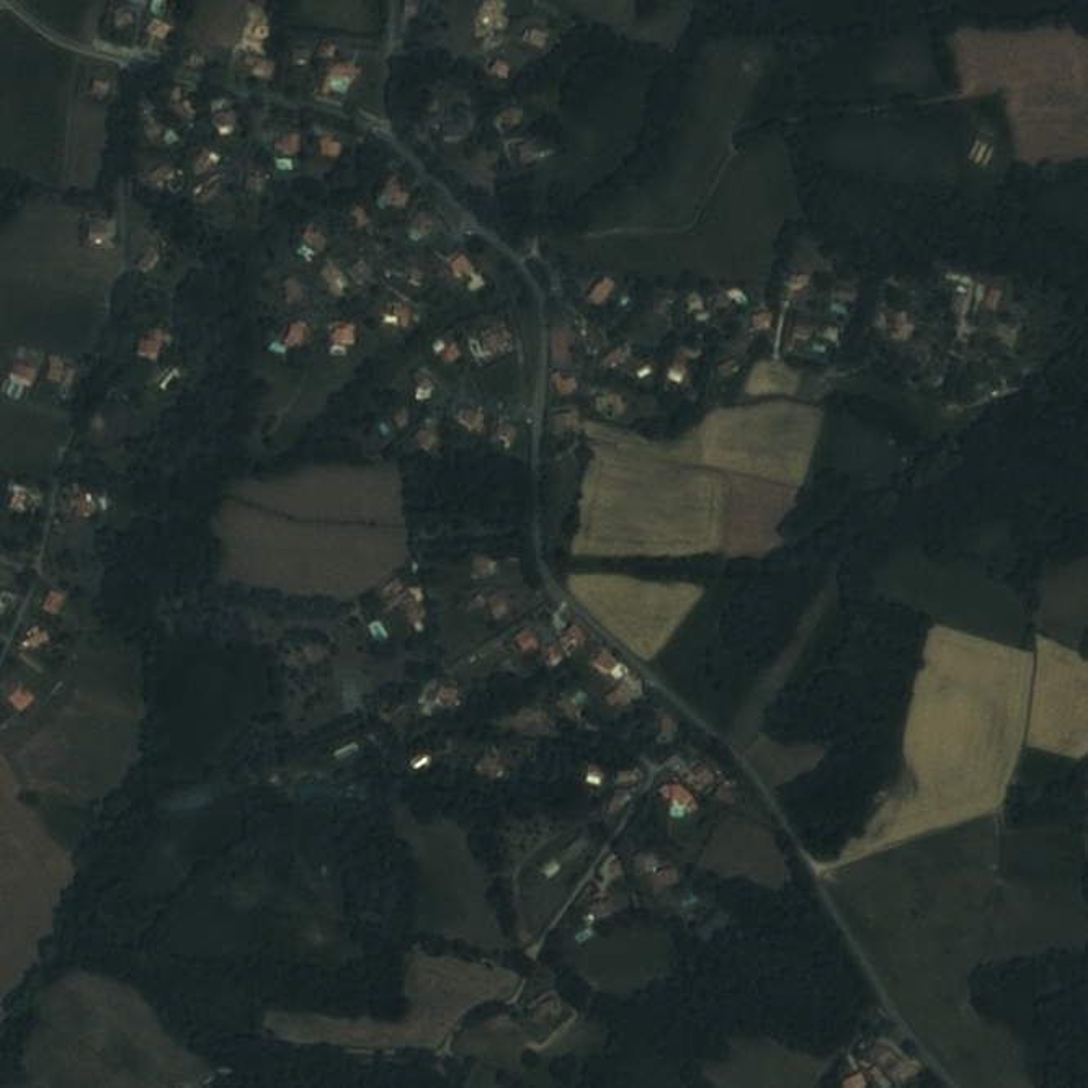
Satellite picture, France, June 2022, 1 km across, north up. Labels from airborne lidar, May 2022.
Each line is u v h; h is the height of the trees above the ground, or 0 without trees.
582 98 19
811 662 0
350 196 20
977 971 8
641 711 12
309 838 0
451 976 0
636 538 0
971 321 8
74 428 11
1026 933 0
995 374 0
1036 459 19
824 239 10
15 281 0
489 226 18
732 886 19
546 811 12
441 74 17
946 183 0
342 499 0
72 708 0
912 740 0
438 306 7
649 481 0
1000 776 0
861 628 19
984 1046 0
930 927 0
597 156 0
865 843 0
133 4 0
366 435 16
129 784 14
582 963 0
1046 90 0
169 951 12
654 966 0
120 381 14
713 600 0
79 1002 0
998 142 0
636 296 15
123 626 17
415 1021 0
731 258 0
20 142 0
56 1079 0
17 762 0
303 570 0
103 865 18
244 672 0
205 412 23
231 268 20
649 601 0
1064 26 11
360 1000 14
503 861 13
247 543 0
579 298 17
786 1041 17
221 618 12
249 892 0
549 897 0
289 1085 17
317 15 0
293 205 12
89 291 0
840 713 18
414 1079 15
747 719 0
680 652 0
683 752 6
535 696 12
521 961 15
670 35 0
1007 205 7
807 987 19
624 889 21
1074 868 0
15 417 0
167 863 0
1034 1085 0
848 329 9
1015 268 17
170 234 14
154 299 19
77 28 0
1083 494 26
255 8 0
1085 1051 21
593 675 0
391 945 14
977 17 8
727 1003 22
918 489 23
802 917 23
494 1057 0
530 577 9
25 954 0
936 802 0
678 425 16
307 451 19
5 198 17
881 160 0
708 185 0
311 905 0
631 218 0
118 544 23
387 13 7
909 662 15
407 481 10
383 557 0
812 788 17
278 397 0
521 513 17
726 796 0
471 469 22
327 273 0
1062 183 0
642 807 17
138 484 16
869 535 26
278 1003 11
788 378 0
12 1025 8
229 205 0
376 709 8
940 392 13
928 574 0
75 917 9
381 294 14
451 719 17
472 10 0
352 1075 15
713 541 0
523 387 0
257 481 13
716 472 0
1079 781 16
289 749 19
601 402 0
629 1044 17
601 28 16
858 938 0
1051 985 16
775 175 0
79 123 0
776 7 22
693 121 0
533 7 0
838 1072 12
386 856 21
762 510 0
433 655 18
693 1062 15
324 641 31
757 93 0
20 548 14
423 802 19
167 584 25
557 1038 0
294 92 16
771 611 13
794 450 0
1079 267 20
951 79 14
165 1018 7
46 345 0
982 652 0
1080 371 20
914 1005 0
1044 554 14
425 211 10
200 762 0
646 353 15
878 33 13
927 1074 12
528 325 0
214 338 21
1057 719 0
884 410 14
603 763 17
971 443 21
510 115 0
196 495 25
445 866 0
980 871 0
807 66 11
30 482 10
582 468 7
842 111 8
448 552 14
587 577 0
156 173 0
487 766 0
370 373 17
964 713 0
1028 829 0
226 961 9
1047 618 0
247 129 9
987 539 0
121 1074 0
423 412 9
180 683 0
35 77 0
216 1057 23
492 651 0
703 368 13
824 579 23
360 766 9
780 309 13
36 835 0
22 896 0
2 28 0
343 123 11
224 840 0
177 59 20
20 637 7
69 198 12
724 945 17
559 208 12
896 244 14
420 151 11
